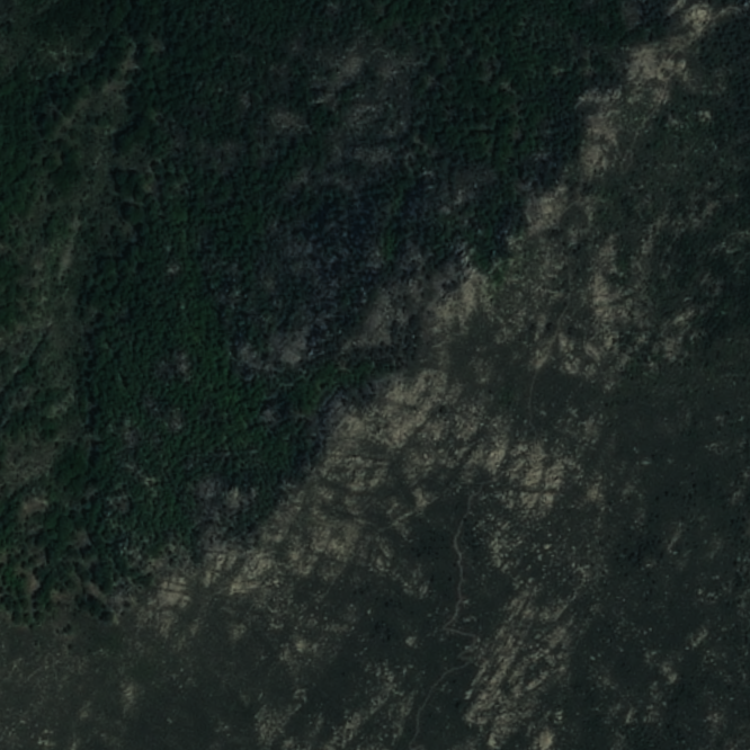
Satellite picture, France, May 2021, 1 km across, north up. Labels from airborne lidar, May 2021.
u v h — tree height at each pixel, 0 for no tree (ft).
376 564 0
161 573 0
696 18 0
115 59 42
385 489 0
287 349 0
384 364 32
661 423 0
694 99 30
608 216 22
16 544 31
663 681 0
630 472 0
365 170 28
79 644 0
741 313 31
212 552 0
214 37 55
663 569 0
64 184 47
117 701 0
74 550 51
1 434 24
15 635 0
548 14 26
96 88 35
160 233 33
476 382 0
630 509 0
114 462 30
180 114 39
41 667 0
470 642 0
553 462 0
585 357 0
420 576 0
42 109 47
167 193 44
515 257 35
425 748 0
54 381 22
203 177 34
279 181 32
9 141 51
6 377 38
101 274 49
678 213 19
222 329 43
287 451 26
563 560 0
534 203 0
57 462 30
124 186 57
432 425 0
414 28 45
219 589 0
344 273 47
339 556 0
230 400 33
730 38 24
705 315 19
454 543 0
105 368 41
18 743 0
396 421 0
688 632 0
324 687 0
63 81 72
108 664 0
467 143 42
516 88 31
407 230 25
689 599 0
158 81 64
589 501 0
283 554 0
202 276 41
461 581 0
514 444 0
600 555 0
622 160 20
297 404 33
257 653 0
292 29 28
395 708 0
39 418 39
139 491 27
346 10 23
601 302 0
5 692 0
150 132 37
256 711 0
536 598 0
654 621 0
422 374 0
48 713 0
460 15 55
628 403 33
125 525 28
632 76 0
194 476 28
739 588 38
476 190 26
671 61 0
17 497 48
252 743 0
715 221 20
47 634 0
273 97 31
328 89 25
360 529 0
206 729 0
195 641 0
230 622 0
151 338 24
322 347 20
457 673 0
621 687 0
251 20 28
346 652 0
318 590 0
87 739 0
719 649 0
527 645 0
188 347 31
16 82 52
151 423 33
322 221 33
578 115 26
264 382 24
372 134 18
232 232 52
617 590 0
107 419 34
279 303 21
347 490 0
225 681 0
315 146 38
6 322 54
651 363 22
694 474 28
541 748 0
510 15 32
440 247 23
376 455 0
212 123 50
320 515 0
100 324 47
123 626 0
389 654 0
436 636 0
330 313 32
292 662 0
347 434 0
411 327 22
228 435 27
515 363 0
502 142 50
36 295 39
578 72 38
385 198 39
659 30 31
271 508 22
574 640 0
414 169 35
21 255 26
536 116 32
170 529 28
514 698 0
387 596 0
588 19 37
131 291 39
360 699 0
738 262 19
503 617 0
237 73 32
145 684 0
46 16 28
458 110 29
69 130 24
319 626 0
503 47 40
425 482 0
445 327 0
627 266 20
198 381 30
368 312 33
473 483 0
